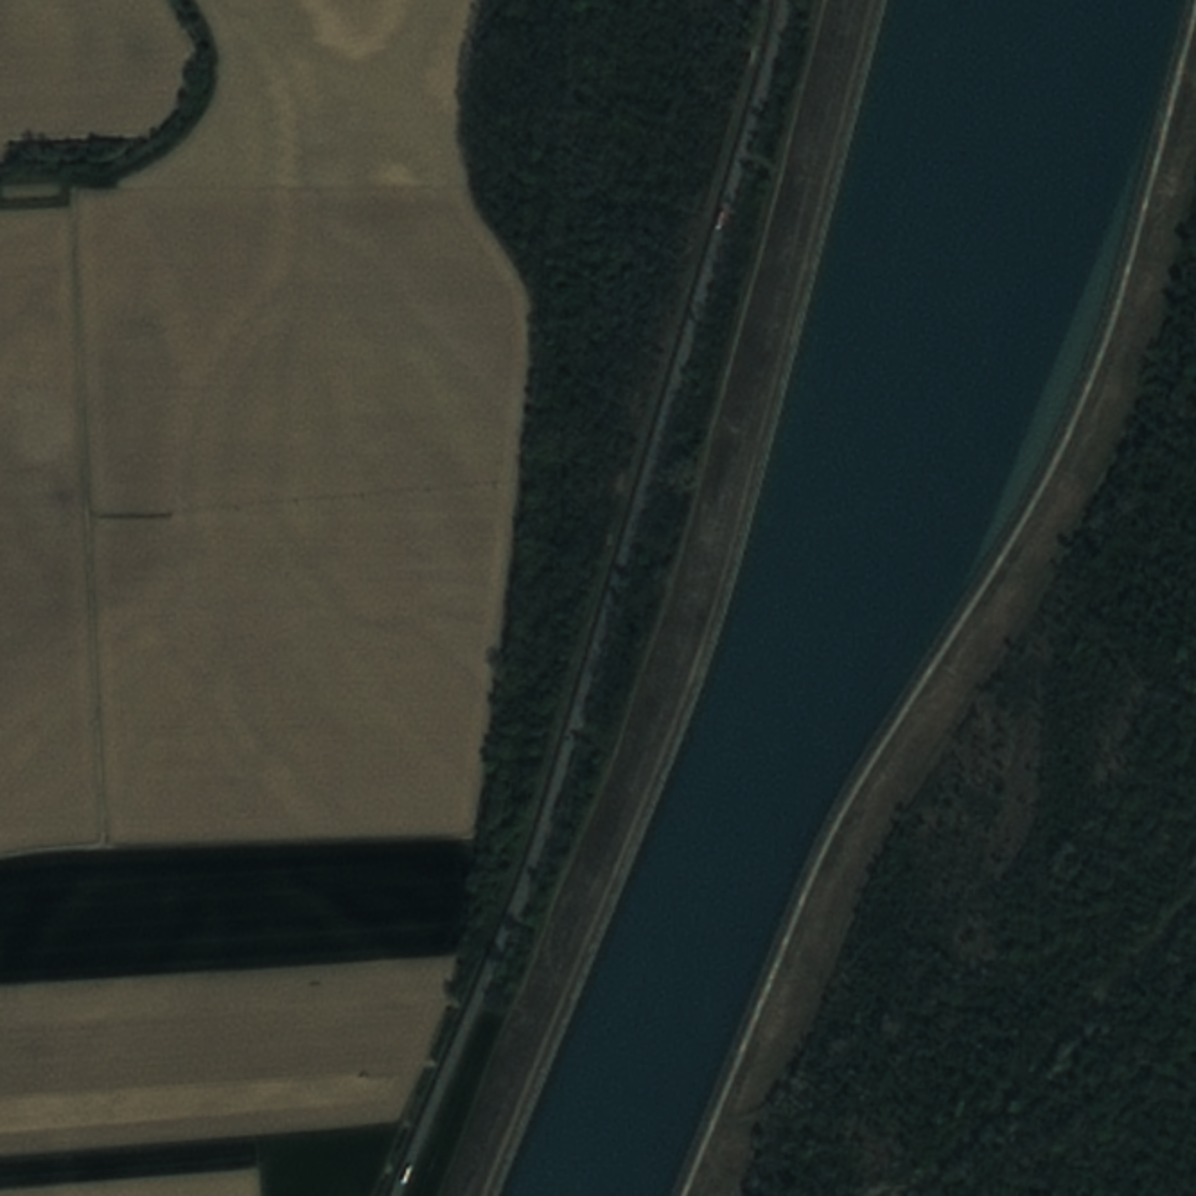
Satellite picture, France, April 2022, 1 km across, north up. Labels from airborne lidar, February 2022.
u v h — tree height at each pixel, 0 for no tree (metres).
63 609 0
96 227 0
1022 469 0
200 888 0
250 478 0
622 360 16
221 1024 0
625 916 0
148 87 0
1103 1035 6
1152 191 0
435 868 0
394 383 0
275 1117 0
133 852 0
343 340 0
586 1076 0
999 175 0
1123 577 17
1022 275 0
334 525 0
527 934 11
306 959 0
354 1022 0
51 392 0
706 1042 0
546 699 15
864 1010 14
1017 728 0
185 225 0
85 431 0
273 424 0
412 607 0
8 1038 0
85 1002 0
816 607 0
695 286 0
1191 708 14
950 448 0
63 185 0
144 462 0
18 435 0
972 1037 14
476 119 20
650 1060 0
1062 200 0
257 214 0
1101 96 0
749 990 0
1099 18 0
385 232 0
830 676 0
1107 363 0
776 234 0
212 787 0
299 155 0
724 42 11
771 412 0
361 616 0
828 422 0
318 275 0
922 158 0
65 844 0
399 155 0
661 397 0
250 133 0
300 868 0
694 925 0
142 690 0
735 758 0
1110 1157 21
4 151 0
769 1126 12
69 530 0
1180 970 13
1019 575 0
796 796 0
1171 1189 16
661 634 0
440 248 0
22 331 0
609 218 16
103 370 0
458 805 0
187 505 0
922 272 0
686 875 0
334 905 0
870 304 0
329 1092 0
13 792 0
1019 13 0
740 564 0
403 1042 0
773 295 0
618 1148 0
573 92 18
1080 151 0
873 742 0
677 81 12
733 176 0
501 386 0
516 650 15
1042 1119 12
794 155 0
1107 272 0
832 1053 22
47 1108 0
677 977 0
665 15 15
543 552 13
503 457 0
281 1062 0
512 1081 0
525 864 0
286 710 0
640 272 16
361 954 0
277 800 0
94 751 0
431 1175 0
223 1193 0
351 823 0
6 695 0
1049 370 0
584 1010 0
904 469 0
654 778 0
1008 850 0
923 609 0
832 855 0
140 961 0
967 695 0
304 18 0
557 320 14
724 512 0
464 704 0
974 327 0
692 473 13
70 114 0
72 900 0
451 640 0
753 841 0
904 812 12
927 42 0
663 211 15
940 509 0
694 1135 0
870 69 0
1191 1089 15
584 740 8
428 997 0
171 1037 0
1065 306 0
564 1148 0
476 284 0
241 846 0
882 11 0
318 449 0
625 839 0
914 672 0
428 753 0
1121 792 10
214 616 0
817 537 0
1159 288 0
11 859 0
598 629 0
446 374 0
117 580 0
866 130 0
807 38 12
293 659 0
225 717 0
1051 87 0
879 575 0
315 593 0
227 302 0
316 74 0
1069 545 18
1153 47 0
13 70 0
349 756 0
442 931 0
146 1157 0
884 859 6
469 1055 0
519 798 10
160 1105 0
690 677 0
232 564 0
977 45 0
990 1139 13
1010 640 0
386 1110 0
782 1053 0
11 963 0
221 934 0
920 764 0
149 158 0
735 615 0
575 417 13
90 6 0
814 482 0
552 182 17
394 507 0
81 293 0
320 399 0
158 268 0
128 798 0
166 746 0
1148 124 0
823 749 0
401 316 0
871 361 0
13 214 0
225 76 0
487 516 0
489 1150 0
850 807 0
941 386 0
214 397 0
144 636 0
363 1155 0
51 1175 0
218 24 0
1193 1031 16
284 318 0
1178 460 21
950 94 0
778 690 0
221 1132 0
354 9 0
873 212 0
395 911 0
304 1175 0
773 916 0
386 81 0
